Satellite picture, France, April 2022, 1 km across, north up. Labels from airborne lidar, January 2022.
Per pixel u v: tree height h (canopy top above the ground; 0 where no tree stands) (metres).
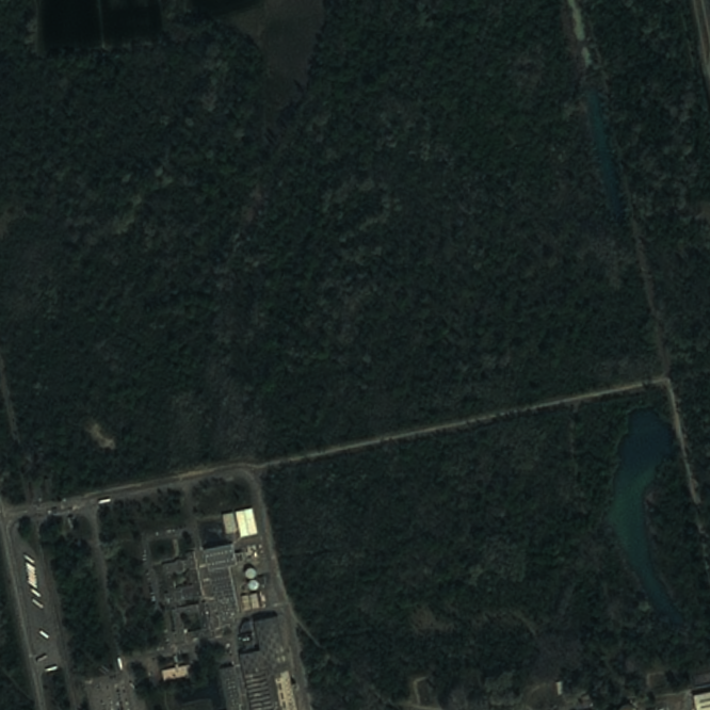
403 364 13
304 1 0
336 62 15
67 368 7
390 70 22
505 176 10
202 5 0
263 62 18
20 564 0
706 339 23
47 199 16
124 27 0
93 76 15
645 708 0
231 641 0
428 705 0
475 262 18
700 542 23
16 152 10
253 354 15
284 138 19
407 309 24
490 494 16
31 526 16
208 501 0
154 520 13
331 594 12
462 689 24
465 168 20
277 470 7
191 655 0
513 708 19
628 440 0
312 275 15
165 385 6
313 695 18
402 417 11
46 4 0
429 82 16
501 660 18
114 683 0
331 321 23
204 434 6
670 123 24
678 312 23
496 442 7
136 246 16
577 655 22
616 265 30
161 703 0
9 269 9
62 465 18
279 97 0
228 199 16
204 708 0
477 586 16
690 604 17
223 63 24
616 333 17
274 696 0
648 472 0
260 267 15
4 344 14
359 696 22
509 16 13
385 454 8
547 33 17
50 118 18
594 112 0
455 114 14
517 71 17
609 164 0
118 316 14
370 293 25
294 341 21
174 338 18
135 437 16
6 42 11
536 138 16
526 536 18
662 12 23
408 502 22
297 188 16
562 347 13
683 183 26
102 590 15
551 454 19
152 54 6
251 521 0
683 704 0
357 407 17
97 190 25
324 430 7
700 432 15
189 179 21
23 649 0
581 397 0
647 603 20
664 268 23
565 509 9
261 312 25
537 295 16
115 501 0
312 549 12
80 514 0
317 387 8
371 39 17
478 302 19
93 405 14
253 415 25
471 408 11
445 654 18
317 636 11
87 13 0
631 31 25
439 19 12
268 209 16
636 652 24
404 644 14
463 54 17
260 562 0
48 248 6
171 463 10
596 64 16
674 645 17
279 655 0
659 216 22
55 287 12
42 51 0
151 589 0
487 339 22
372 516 18
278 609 0
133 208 23
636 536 0
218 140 24
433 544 19
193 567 0
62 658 0
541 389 15
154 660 0
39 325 13
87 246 21
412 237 20
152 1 0
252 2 0
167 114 17
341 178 6
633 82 21
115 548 17
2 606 22
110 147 15
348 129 19
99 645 7
